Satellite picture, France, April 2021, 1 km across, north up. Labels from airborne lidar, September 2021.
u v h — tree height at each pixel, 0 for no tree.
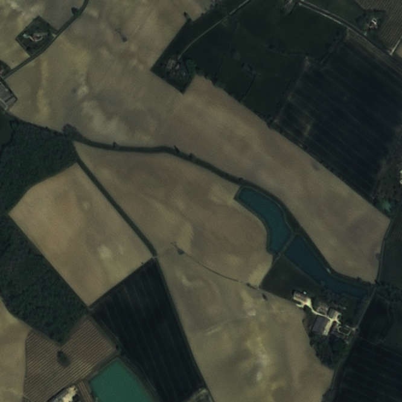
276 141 0
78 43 0
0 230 16
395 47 0
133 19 0
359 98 0
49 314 22
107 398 0
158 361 0
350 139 0
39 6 0
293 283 0
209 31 0
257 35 0
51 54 0
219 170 0
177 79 8
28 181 19
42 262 12
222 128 0
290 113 0
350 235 0
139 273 0
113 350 0
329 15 0
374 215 0
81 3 0
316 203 0
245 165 0
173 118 0
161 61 0
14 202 19
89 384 0
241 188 0
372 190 0
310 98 0
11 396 0
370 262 0
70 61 0
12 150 24
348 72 0
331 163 0
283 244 0
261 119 11
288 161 0
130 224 0
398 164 0
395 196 8
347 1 0
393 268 0
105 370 0
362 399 0
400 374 0
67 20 0
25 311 20
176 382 0
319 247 0
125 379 0
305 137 0
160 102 0
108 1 0
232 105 0
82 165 0
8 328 0
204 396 0
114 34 0
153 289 0
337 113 0
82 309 19
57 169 22
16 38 0
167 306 0
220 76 0
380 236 0
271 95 0
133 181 0
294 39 0
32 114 0
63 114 0
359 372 0
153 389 0
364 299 13
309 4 0
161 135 0
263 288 0
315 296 0
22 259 13
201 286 0
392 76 0
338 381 0
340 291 0
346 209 0
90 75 0
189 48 0
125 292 0
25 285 13
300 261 0
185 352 0
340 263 0
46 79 0
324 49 0
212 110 0
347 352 23
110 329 0
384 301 0
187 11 0
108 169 0
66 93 0
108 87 0
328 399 20
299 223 0
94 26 0
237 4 0
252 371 0
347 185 0
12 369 0
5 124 0
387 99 0
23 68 0
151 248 0
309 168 0
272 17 0
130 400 0
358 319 18
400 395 0
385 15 16
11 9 0
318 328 0
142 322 0
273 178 0
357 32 0
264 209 0
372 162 0
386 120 0
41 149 24
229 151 0
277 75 0
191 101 0
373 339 0
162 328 0
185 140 0
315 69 0
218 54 0
